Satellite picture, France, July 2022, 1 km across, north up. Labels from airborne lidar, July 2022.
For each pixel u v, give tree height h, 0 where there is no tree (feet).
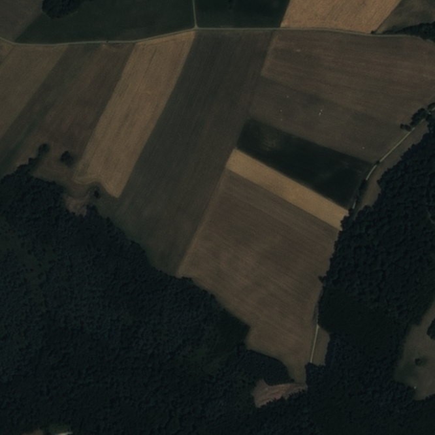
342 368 47
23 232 35
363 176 0
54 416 64
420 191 78
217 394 88
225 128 0
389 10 0
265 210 0
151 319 67
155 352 60
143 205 0
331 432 33
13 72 0
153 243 0
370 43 0
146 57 0
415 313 63
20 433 32
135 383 79
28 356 69
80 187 0
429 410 51
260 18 0
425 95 0
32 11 0
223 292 0
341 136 0
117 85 0
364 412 26
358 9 0
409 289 85
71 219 94
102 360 70
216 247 0
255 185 0
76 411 66
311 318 0
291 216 0
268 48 0
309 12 0
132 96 0
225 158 0
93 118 0
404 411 87
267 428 73
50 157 0
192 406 98
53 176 0
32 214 39
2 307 56
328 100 0
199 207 0
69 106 0
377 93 0
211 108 0
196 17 0
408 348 0
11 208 47
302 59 0
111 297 74
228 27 0
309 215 0
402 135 0
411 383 0
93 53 0
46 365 60
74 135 0
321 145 0
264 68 0
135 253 39
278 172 0
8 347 59
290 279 0
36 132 0
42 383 98
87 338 75
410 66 0
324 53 0
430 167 89
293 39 0
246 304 0
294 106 0
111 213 0
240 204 0
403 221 90
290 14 0
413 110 0
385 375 73
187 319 60
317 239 0
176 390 91
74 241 85
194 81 0
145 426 95
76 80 0
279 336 0
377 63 0
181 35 0
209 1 0
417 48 0
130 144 0
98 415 57
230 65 0
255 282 0
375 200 0
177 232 0
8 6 0
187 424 115
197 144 0
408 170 86
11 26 0
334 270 65
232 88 0
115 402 94
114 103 0
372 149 0
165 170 0
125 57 0
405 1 0
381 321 22
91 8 0
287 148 0
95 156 0
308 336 0
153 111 0
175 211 0
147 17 0
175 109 0
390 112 0
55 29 0
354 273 107
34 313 57
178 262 0
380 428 35
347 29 0
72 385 71
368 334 28
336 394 39
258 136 0
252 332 0
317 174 0
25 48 0
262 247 0
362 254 99
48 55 0
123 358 77
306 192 0
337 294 32
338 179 0
